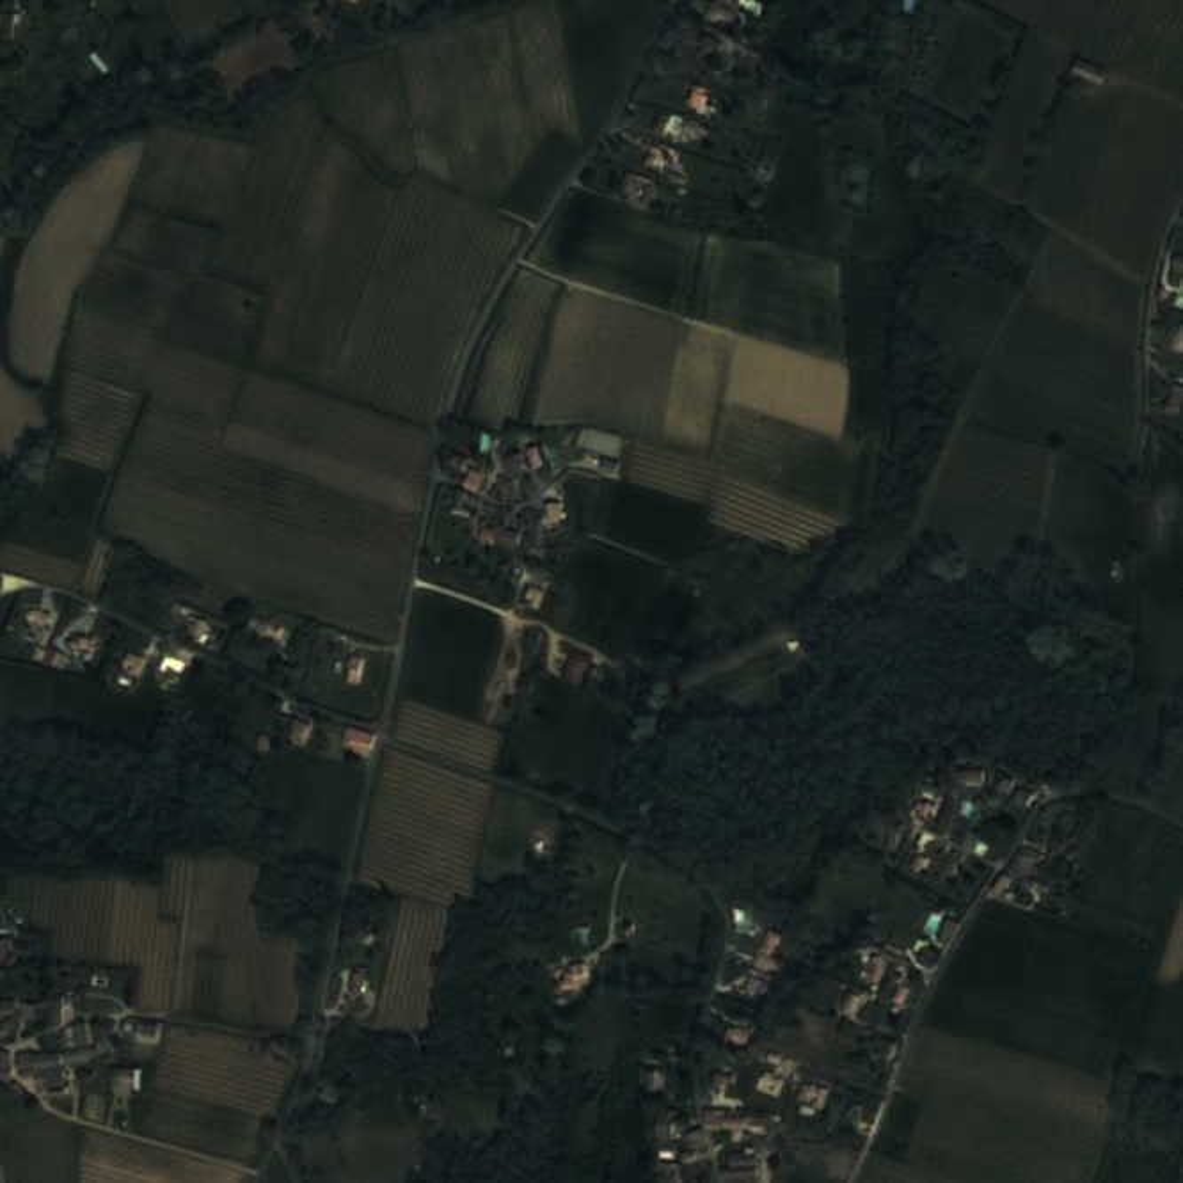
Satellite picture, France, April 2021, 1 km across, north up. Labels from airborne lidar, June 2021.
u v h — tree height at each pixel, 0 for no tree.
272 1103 0
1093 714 21
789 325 0
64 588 0
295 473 0
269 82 11
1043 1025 0
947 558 31
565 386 0
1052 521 0
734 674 0
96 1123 0
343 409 0
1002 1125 0
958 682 16
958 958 0
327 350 0
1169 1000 0
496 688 0
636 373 0
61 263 0
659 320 0
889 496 20
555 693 0
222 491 0
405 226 0
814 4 18
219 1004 0
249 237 0
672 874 21
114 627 9
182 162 0
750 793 23
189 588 9
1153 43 0
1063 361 0
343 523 0
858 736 25
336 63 0
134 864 9
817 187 0
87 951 0
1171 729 15
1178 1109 11
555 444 0
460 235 0
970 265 10
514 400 0
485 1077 14
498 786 0
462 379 0
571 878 8
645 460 0
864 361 6
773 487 0
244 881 0
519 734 0
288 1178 0
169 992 0
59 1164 0
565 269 0
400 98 0
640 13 0
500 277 0
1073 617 20
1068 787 18
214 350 0
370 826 0
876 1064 7
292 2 12
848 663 22
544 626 0
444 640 0
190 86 6
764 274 0
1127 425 0
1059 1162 0
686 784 23
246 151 0
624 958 8
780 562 19
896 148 12
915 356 18
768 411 0
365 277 0
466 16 13
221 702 0
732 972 0
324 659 0
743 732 17
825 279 0
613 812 17
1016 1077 0
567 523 10
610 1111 6
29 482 11
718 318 0
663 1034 0
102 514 0
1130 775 0
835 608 21
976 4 6
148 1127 0
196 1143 0
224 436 0
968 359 0
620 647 0
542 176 0
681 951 0
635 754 17
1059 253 0
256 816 13
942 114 9
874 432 0
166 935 0
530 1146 19
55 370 0
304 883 17
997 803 13
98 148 14
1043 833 7
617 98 0
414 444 0
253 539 0
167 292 0
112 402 0
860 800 18
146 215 0
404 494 0
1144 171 0
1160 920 0
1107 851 0
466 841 0
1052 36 0
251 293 0
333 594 0
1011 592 18
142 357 0
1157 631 0
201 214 0
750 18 7
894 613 21
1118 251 0
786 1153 11
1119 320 0
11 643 0
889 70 13
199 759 13
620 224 0
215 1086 0
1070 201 0
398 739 0
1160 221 0
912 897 0
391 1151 0
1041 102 0
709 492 0
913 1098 0
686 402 0
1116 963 0
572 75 0
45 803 21
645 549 0
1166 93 0
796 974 8
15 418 0
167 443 0
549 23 0
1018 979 0
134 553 14
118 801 8
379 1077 9
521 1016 0
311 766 0
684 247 0
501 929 18
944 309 0
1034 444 0
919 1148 0
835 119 11
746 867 14
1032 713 22
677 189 7
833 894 0
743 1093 0
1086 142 0
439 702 0
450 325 0
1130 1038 0
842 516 0
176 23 0
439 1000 10
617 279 0
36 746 19
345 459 0
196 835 11
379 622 0
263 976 0
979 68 0
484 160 0
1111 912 0
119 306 0
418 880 0
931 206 11
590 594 0
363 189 0
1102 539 0
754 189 10
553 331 0
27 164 10
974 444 0
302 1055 13
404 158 0
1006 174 0
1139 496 16
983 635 18
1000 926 0
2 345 0
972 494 0
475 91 0
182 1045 0
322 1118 19
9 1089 12
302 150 0
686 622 0
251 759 9
